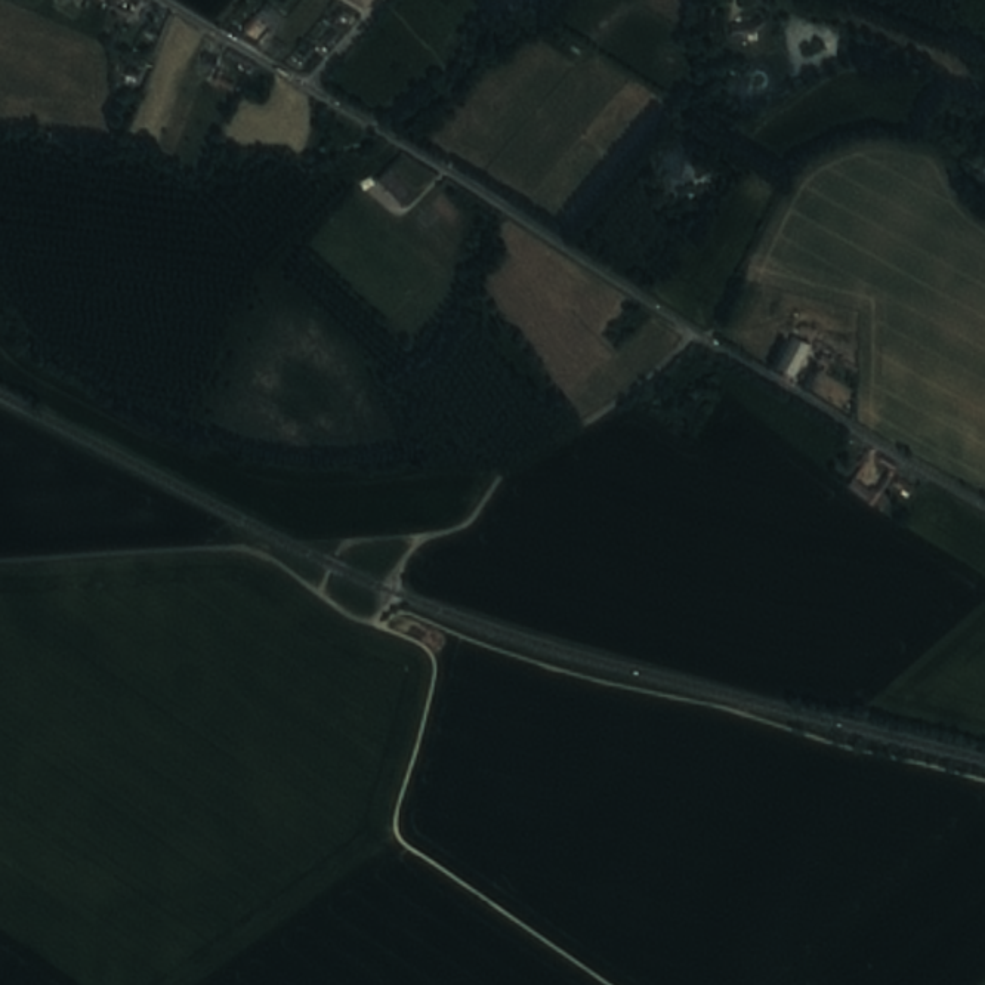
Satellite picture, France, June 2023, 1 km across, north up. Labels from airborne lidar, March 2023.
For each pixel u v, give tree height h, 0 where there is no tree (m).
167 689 0
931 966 0
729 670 0
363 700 0
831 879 0
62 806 0
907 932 0
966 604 0
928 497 0
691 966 0
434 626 0
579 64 0
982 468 0
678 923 0
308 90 0
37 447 0
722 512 0
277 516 0
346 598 0
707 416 6
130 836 0
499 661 0
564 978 0
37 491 0
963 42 35
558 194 0
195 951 0
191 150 0
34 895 0
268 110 0
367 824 0
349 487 0
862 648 0
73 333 16
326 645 0
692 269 0
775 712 0
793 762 0
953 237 0
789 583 0
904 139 13
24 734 0
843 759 0
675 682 0
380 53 0
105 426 0
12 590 0
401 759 0
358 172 0
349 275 0
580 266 0
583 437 0
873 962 0
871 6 34
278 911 0
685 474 0
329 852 0
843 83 0
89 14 0
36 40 0
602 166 0
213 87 0
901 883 0
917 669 0
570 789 0
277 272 0
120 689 0
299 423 0
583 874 0
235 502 0
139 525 0
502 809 0
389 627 0
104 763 0
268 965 0
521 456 26
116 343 16
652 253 27
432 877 0
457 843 0
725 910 0
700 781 0
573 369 0
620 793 0
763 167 33
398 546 0
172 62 0
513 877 0
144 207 20
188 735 0
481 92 0
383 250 0
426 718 0
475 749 0
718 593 0
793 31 0
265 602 0
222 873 0
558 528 0
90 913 0
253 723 0
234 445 15
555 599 0
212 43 0
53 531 0
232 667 0
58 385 0
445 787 0
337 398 0
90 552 0
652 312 0
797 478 0
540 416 29
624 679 0
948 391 0
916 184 0
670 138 10
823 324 0
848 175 0
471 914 0
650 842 0
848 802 0
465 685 0
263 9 0
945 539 0
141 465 0
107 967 0
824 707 8
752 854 0
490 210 8
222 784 0
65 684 0
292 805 0
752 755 0
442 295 0
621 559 0
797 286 0
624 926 0
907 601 0
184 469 0
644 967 0
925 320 0
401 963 0
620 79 0
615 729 0
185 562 0
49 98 0
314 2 0
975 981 0
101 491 0
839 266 0
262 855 0
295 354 0
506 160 0
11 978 0
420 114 17
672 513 0
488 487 0
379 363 15
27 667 0
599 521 0
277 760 0
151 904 0
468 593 0
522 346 8
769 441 0
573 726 0
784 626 0
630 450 0
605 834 0
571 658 0
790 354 0
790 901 0
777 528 0
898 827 0
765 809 0
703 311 0
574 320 0
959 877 0
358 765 0
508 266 0
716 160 14
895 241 0
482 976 0
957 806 0
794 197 0
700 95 17
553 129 0
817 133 0
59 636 0
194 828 0
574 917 0
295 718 0
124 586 0
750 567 0
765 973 0
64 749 0
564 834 0
